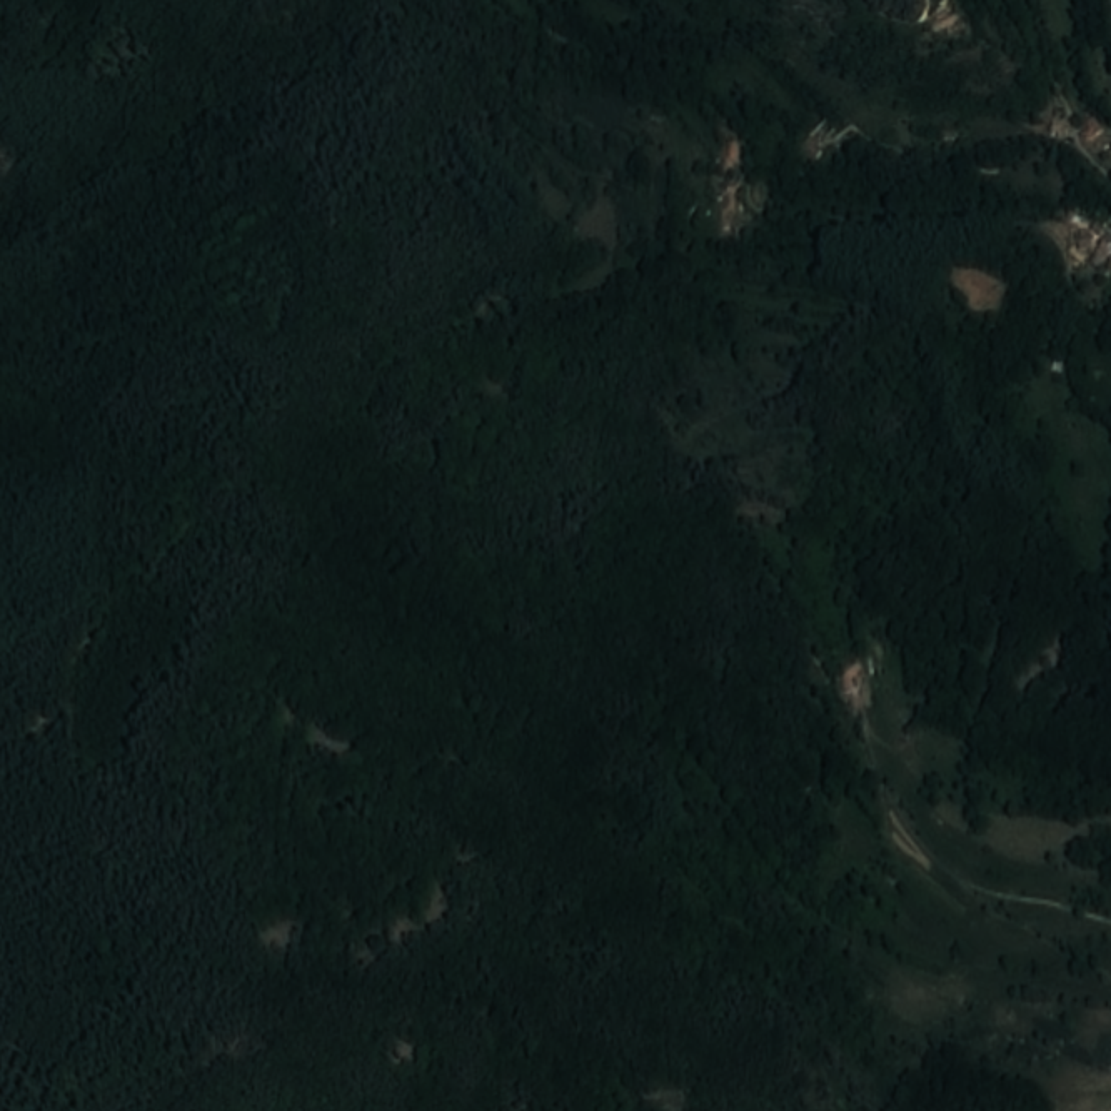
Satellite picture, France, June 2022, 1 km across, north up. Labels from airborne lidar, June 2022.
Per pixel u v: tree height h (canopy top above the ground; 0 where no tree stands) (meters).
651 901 22
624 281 21
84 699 8
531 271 20
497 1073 14
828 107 19
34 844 24
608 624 24
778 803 19
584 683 19
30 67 23
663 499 23
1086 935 0
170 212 16
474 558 13
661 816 29
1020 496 37
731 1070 20
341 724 24
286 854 22
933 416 18
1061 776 17
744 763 23
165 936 21
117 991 9
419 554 21
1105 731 33
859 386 8
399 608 24
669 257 19
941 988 0
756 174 13
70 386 17
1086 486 0
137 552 22
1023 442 16
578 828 24
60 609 28
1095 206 18
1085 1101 0
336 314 19
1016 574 32
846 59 14
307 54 16
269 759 14
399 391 21
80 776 25
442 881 9
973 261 34
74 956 13
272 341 15
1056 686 28
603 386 20
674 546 21
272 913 22
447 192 18
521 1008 23
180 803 24
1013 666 23
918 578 32
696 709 15
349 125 15
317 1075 23
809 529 18
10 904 20
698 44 23
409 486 21
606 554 23
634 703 16
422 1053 16
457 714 18
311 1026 16
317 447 27
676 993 17
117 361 19
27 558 24
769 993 21
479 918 18
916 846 0
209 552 28
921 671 15
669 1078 14
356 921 12
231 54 14
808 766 25
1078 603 29
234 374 21
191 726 18
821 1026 12
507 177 34
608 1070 16
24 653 19
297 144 31
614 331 24
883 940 13
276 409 15
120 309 14
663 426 16
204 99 17
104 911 25
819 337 10
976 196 13
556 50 18
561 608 20
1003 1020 0
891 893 0
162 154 5
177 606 19
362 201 11
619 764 21
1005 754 24
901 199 16
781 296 13
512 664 22
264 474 24
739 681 19
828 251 33
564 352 21
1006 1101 14
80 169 18
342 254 18
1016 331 10
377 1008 17
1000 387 13
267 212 16
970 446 23
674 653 21
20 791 32
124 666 11
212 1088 15
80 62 15
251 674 19
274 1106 16
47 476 20
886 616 17
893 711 0
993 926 0
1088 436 0
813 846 18
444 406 18
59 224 17
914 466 12
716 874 9
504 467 20
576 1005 19
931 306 23
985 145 16
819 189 17
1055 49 12
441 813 19
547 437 18
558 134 10
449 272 17
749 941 17
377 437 27
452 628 25
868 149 25
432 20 19
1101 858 6
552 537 22
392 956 16
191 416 24
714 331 16
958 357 20
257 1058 11
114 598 8
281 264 13
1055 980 0
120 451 23
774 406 17
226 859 21
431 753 21
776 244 12
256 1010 14
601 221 0
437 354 27
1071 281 10
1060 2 0
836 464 14
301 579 26
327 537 22
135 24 26
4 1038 24
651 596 28
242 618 24
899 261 18
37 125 29
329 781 18
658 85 18
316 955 18
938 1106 16
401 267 22
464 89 21
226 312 17
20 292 17
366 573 23
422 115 16
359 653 18
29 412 18
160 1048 9
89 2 18
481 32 31
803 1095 17
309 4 17
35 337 19
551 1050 15
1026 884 0
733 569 17
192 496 12
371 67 18
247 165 16
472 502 12
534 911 16
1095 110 11
